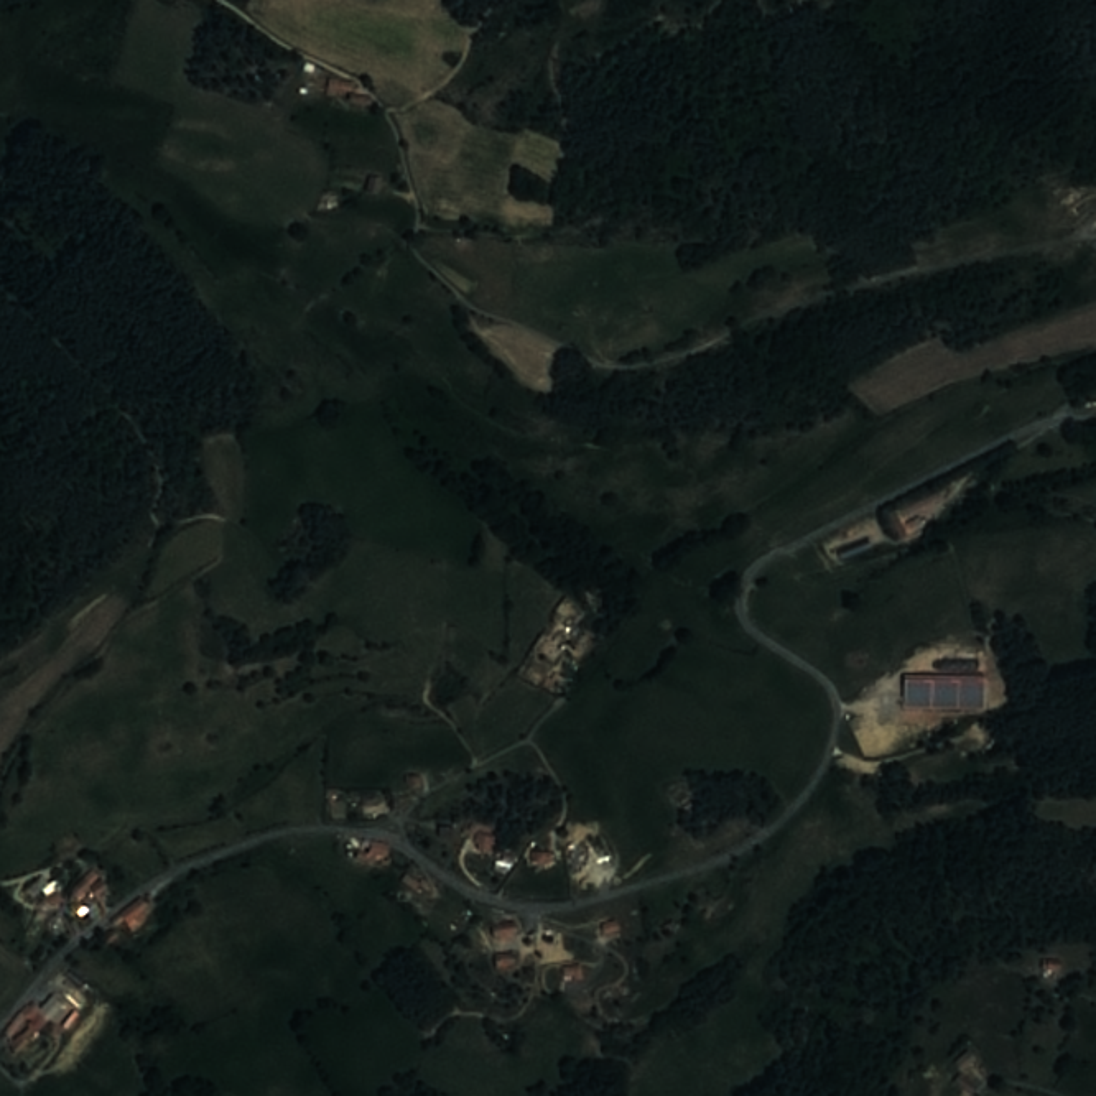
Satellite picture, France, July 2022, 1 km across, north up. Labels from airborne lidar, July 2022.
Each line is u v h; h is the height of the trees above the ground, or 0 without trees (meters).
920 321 14
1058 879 12
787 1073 21
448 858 7
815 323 15
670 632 0
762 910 0
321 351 0
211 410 20
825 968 16
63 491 18
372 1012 0
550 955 0
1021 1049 0
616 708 0
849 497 0
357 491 0
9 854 0
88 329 27
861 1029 12
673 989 0
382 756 0
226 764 0
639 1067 0
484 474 20
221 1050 0
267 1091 0
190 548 0
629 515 0
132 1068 0
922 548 14
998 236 0
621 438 8
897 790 13
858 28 10
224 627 9
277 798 0
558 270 0
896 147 12
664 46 12
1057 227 0
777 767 0
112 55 0
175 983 0
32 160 21
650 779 0
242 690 10
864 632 0
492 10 9
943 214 7
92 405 7
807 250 0
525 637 0
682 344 9
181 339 24
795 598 0
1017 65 18
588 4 0
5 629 13
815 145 9
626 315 0
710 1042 0
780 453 0
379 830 0
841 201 15
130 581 0
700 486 0
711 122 14
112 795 0
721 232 13
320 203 0
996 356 0
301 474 0
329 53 0
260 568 0
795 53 20
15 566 12
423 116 0
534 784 11
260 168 0
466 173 0
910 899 15
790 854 0
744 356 11
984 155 12
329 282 0
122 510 16
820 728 0
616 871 0
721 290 0
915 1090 0
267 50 9
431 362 0
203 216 0
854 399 12
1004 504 17
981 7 17
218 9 14
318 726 0
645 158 13
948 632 0
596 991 0
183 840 0
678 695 0
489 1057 0
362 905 0
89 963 0
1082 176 6
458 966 9
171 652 0
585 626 8
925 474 0
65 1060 0
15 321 24
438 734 0
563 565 14
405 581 0
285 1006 0
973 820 12
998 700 0
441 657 0
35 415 13
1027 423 0
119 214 24
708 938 0
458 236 12
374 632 0
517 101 13
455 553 0
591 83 17
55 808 0
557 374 14
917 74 14
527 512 15
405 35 0
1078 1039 0
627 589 17
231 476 0
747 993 0
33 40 0
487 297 0
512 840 12
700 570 0
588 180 12
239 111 0
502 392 0
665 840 0
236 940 0
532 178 11
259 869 0
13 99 0
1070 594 0
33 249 19
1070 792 11
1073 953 0
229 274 0
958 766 0
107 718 0
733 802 16
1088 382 16
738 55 11
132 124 0
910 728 0
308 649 7
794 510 0
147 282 21
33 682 0
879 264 15
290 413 0
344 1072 0
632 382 9
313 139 0
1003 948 8
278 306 0
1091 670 27
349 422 0
